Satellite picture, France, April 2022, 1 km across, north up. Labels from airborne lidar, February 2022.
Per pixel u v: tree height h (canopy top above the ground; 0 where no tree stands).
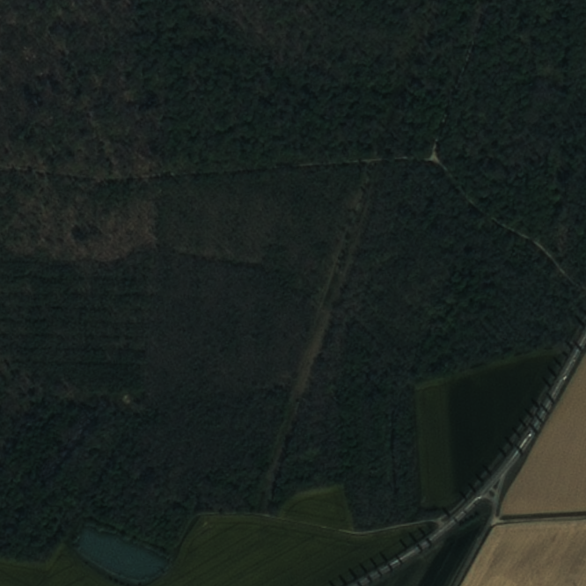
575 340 0
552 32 28
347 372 18
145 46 28
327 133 25
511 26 26
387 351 21
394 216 20
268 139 28
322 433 19
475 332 24
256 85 28
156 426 20
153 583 0
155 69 31
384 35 28
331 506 0
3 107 20
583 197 22
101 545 0
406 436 22
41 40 19
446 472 0
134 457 25
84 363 21
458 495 0
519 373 0
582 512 0
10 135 18
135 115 30
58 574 0
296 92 26
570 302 26
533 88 29
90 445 30
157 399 18
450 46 28
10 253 17
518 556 0
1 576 0
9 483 29
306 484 22
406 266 20
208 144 30
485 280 25
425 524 0
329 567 0
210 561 0
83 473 30
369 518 21
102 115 31
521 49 28
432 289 21
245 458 25
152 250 16
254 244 14
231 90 31
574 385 0
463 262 24
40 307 18
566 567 0
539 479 0
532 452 0
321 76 29
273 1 30
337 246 16
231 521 0
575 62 28
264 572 0
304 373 0
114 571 0
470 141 31
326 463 23
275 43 24
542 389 0
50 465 30
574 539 0
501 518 0
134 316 20
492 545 0
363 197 6
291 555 0
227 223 16
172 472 24
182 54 28
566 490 0
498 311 23
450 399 0
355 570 0
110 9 25
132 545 0
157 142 20
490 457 0
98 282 17
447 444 0
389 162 15
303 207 17
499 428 0
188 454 22
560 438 0
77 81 27
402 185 20
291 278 15
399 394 20
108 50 26
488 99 27
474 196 16
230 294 19
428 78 26
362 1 28
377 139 22
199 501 23
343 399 21
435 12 0
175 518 24
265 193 17
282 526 0
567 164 31
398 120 0
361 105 26
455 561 0
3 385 23
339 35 28
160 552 12
